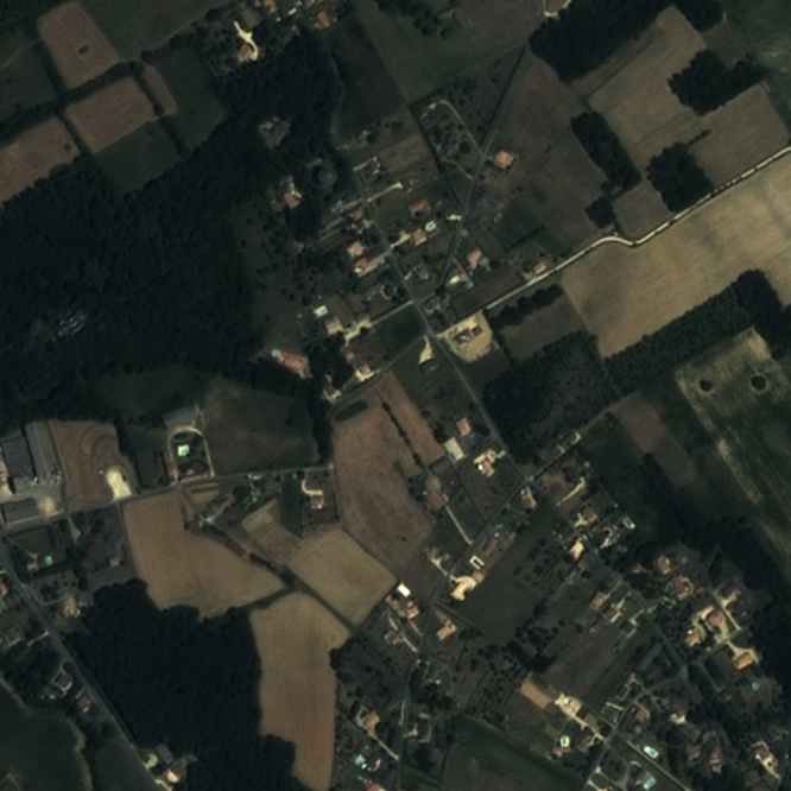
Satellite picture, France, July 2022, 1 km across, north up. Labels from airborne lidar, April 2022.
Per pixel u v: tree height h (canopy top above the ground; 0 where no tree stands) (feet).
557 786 0
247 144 82
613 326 0
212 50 22
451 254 0
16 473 0
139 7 0
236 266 57
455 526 0
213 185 73
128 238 83
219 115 0
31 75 0
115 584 0
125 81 0
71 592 0
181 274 79
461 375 0
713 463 0
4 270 43
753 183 0
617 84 0
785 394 0
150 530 0
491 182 0
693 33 0
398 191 0
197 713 73
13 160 0
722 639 0
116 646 88
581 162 0
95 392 25
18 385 68
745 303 54
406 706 0
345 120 0
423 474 0
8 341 66
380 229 0
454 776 0
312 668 0
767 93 0
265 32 46
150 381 0
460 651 0
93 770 22
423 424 0
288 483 0
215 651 35
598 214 52
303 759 0
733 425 0
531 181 0
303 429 0
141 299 78
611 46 57
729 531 35
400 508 0
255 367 67
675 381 0
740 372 0
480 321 0
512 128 0
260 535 0
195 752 69
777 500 0
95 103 0
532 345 0
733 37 0
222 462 0
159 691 69
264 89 65
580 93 0
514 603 0
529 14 0
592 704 0
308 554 0
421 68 0
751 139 0
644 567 40
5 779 0
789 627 54
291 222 48
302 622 0
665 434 0
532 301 28
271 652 0
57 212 56
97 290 64
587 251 0
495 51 0
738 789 53
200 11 0
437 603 0
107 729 38
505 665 0
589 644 0
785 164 0
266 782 57
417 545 0
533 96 0
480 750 0
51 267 53
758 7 0
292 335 0
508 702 0
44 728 0
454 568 0
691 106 35
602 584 0
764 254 0
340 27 0
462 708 0
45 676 94
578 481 0
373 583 0
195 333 52
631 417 0
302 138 75
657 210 0
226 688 32
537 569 24
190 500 0
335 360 53
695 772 33
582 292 0
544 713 0
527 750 0
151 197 71
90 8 0
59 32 0
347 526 0
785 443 0
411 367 0
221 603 0
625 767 30
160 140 0
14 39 0
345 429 0
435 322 0
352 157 0
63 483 0
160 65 0
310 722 0
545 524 0
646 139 0
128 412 0
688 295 0
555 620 0
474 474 0
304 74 79
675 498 30
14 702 0
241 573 0
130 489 0
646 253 0
